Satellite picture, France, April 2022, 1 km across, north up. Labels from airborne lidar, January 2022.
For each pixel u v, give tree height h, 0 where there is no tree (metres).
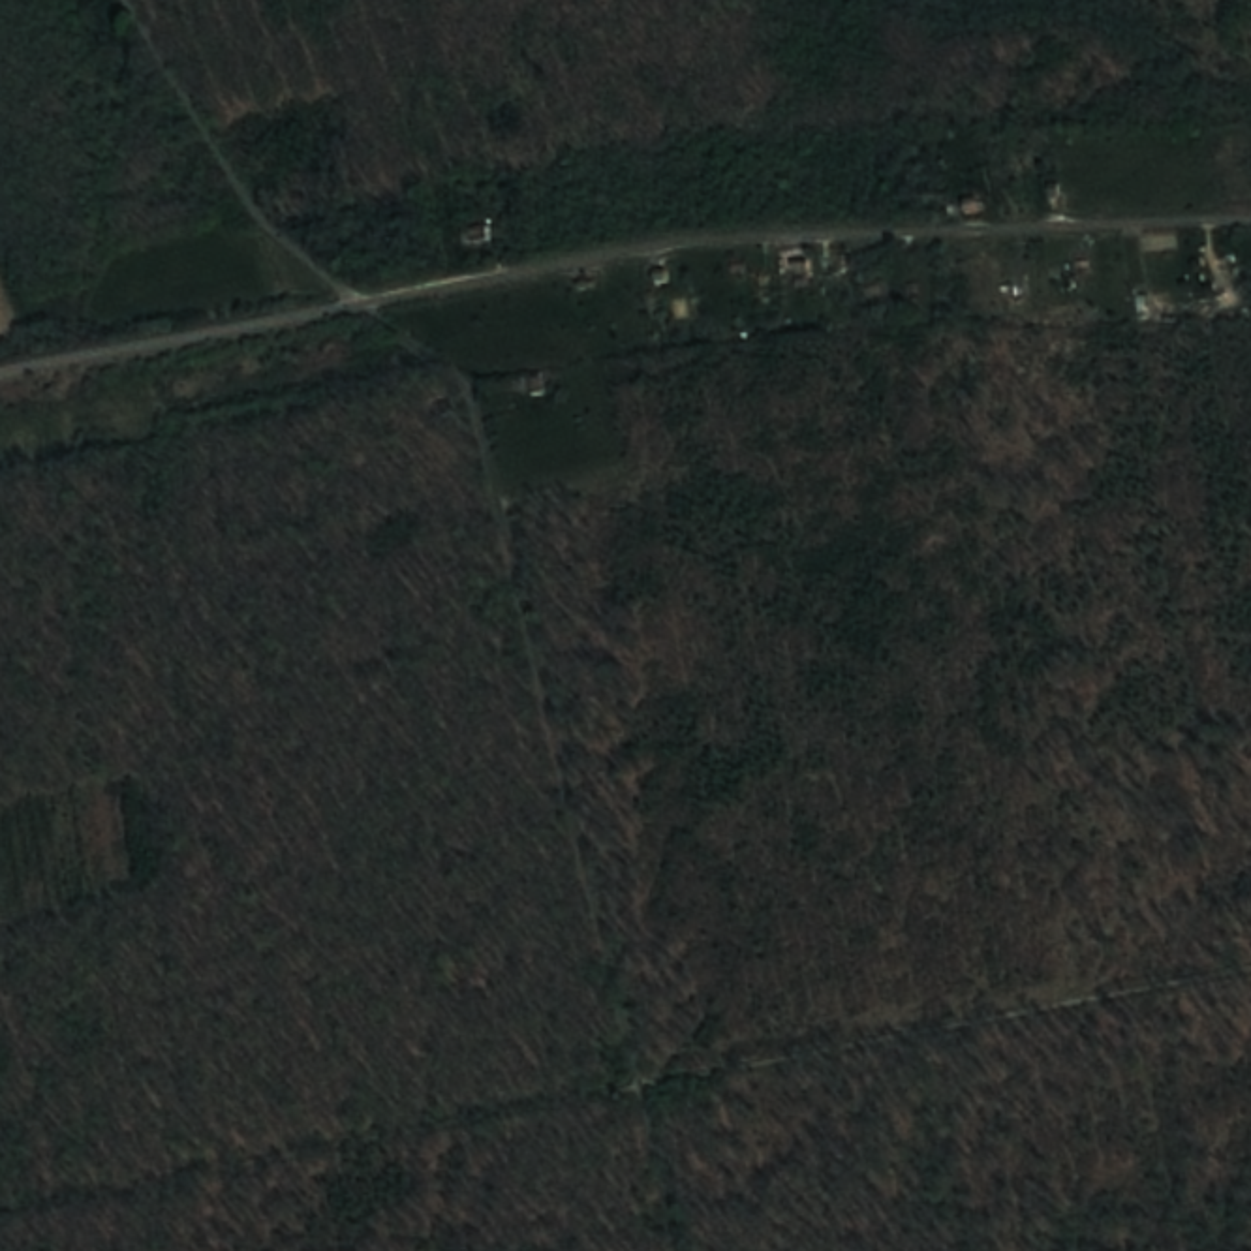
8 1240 25
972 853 6
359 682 23
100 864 0
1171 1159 8
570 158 14
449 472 22
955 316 18
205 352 9
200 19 16
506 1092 27
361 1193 12
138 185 28
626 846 31
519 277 0
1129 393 10
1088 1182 7
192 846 27
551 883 25
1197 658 13
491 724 25
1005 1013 0
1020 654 13
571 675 28
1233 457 10
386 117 21
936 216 13
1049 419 31
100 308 0
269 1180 23
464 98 18
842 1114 28
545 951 25
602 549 9
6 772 25
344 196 28
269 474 27
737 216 14
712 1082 11
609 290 0
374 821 28
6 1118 25
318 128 6
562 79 17
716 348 11
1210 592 9
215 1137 27
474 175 16
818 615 14
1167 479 9
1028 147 8
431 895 25
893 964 6
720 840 9
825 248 0
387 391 21
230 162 8
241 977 28
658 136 18
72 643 27
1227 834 16
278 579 24
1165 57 18
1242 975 27
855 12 22
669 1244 25
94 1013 20
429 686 27
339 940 26
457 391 23
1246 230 11
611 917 17
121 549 27
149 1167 25
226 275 0
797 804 8
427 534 22
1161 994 27
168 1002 21
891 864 8
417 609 27
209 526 27
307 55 19
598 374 0
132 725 29
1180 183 0
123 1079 24
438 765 25
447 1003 24
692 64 16
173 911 26
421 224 25
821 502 10
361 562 22
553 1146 28
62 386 14
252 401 10
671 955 24
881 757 8
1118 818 0
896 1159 33
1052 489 34
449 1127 21
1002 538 0
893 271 11
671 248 0
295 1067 24
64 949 24
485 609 24
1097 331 10
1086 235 0
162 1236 26
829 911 6
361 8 20
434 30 17
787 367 7
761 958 8
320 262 19
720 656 6
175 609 27
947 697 6
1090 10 17
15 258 22
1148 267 0
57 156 25
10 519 27
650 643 8
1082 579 11
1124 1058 31
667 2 20
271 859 29
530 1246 25
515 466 0
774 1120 10
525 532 25
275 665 27
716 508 12
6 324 0
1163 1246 15
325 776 27
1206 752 31
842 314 0
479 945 27
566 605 25
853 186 16
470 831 24
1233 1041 29
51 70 26
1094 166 0
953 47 20
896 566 9
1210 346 11
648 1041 25
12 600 28
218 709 25
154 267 0
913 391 8
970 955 6
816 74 13
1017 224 0
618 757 9
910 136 21
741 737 8
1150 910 0
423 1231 27
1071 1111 27
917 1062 29
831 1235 6
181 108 19
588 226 9
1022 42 20
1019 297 0
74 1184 22
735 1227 33
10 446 0
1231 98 15
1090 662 31
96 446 9
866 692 9
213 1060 27
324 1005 26
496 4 20
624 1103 17
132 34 18
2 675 28
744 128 20
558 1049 25
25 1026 24
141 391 0
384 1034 24
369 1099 25
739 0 16
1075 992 0
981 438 32
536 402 0
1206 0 0
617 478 0
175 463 22
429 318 0
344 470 29
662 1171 21
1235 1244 13
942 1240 30
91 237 25
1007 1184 10
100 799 0
